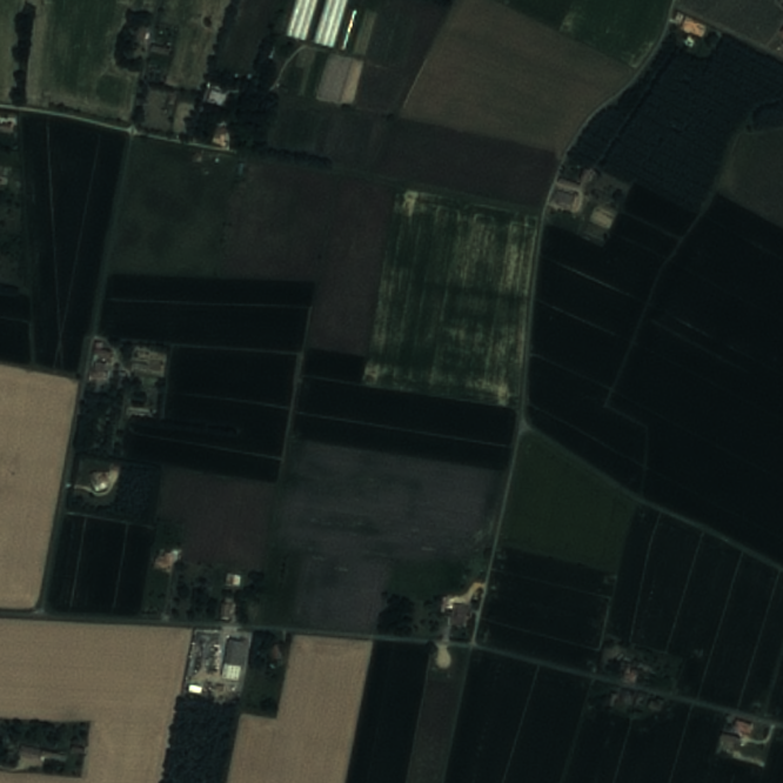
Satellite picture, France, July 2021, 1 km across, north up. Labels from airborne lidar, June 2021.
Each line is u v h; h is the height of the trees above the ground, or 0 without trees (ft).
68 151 0
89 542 0
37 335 0
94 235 0
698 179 46
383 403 0
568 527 0
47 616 0
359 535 0
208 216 0
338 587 0
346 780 0
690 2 0
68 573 0
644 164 40
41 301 0
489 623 0
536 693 0
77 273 0
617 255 0
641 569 0
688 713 0
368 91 0
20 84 44
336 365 0
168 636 0
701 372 0
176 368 0
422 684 0
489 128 0
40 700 0
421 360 0
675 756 0
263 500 0
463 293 0
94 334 0
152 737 0
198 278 0
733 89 52
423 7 0
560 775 0
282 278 0
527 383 0
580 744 0
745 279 0
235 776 0
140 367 0
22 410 0
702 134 50
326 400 0
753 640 0
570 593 0
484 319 0
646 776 0
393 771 0
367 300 0
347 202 0
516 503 0
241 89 46
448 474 0
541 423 0
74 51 0
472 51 0
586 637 0
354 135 0
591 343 0
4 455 0
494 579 0
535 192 0
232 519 0
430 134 0
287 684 0
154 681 0
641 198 0
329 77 0
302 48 0
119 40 32
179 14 0
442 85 0
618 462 0
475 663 0
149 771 0
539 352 0
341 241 0
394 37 0
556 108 0
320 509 0
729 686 0
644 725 0
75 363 0
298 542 0
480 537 0
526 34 0
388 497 0
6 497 0
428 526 0
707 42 33
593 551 0
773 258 0
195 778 47
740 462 0
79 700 0
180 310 0
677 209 0
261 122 48
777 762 0
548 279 0
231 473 0
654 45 0
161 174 0
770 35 0
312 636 0
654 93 45
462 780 0
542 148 0
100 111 0
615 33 0
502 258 0
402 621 24
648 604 0
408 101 0
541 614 0
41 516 0
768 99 38
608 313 0
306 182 0
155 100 0
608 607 0
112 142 0
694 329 0
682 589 0
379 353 0
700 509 0
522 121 0
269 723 0
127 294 0
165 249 0
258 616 0
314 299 0
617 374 0
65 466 0
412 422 0
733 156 0
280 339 0
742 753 0
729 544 0
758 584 0
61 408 0
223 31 44
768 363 0
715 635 0
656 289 0
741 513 0
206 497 0
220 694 0
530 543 0
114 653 0
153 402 0
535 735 0
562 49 0
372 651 0
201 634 0
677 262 0
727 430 0
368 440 0
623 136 44
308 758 0
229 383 0
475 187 0
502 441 0
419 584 0
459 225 0
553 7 0
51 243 0
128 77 0
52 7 0
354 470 0
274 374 0
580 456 0
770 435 0
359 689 0
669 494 0
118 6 0
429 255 0
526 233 0
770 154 0
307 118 0
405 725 0
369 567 0
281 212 0
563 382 0
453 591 0
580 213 0
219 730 52
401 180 0
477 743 0
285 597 0
